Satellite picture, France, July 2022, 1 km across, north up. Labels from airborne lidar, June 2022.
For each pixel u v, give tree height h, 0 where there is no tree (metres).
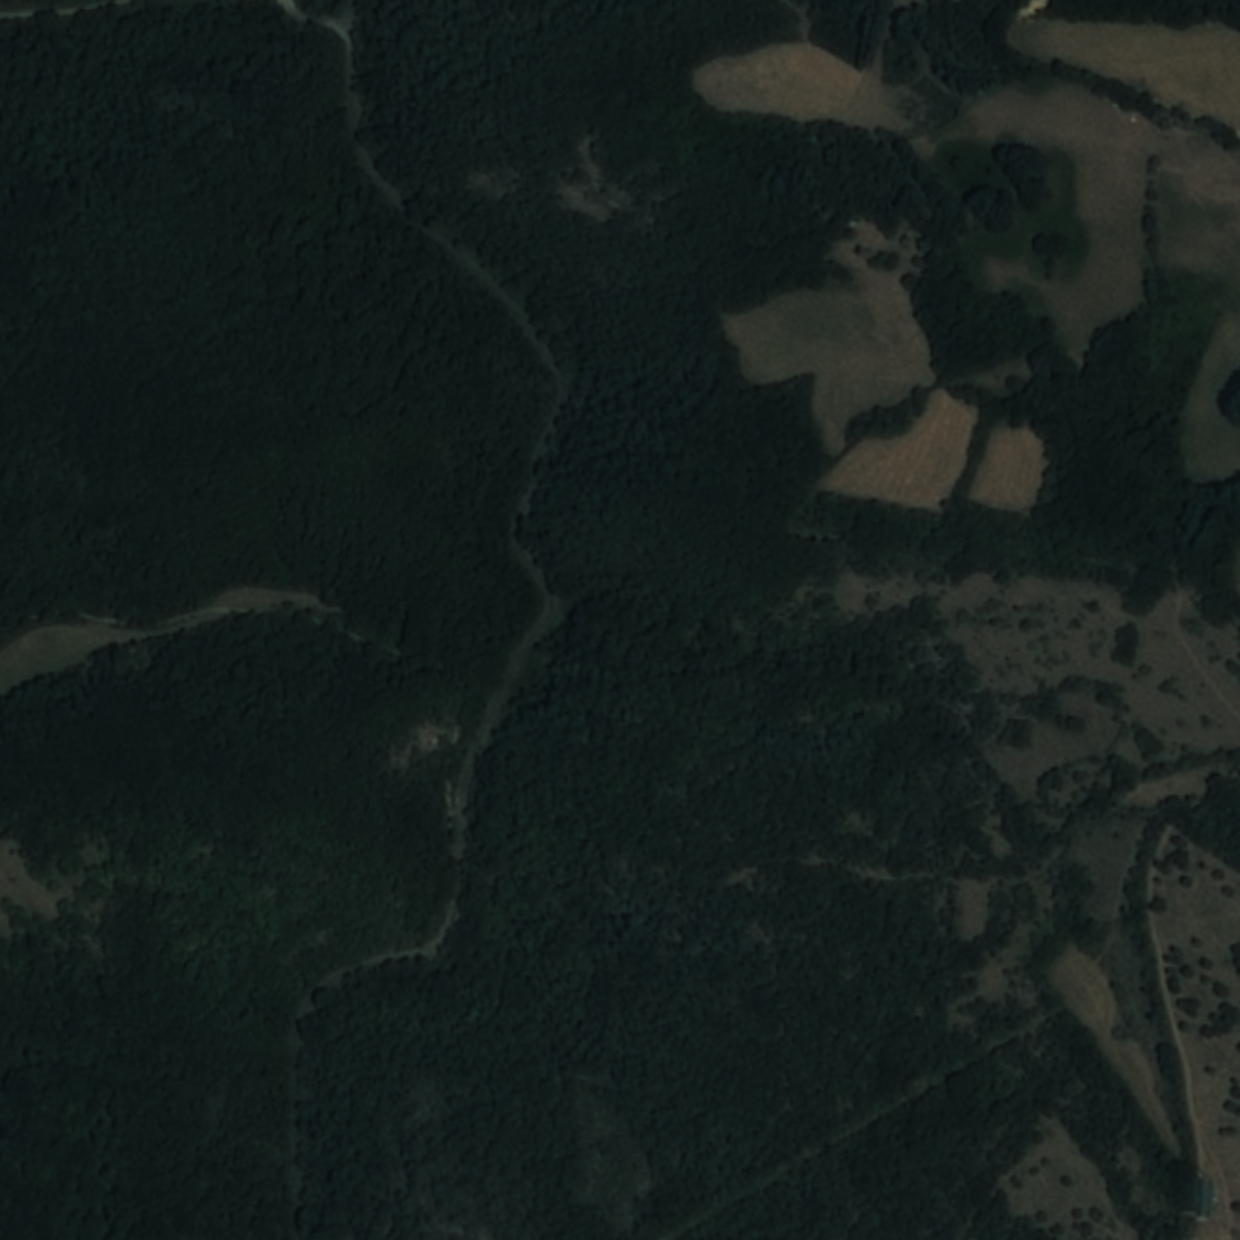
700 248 16
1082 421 25
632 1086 9
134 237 10
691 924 7
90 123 10
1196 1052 0
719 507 18
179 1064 14
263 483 17
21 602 12
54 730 26
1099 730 0
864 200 14
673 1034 9
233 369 15
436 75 10
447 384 13
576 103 15
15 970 8
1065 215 0
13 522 15
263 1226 16
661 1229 10
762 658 15
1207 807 10
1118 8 6
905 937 8
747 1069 8
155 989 12
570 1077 11
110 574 10
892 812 7
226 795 18
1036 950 7
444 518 16
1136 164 0
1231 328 0
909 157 21
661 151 12
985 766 7
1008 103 0
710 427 17
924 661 8
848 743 13
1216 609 14
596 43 11
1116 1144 7
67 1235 11
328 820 10
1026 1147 7
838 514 11
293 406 16
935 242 13
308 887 11
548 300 18
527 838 9
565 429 15
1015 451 0
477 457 17
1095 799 11
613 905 6
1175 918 0
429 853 12
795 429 10
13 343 12
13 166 14
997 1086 10
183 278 10
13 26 11
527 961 8
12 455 9
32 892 0
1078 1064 8
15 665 0
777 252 13
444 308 14
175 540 10
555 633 12
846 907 13
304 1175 13
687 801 7
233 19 20
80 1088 19
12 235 19
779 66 0
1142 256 0
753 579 15
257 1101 17
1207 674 0
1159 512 27
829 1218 7
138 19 17
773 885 6
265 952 12
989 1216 11
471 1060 12
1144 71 0
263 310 18
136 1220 10
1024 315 9
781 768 13
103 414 13
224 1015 10
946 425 0
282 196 21
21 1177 18
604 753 9
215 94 14
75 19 14
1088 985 0
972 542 10
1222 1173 0
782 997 10
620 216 10
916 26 29
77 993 18
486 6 9
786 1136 6
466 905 18
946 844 10
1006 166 16
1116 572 11
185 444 15
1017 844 11
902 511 6
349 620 12
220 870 13
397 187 6
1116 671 0
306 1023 19
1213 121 14
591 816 12
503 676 18
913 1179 8
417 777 10
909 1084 11
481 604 21
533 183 10
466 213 12
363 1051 9
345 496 16
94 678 14
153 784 17
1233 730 0
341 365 19
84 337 11
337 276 23
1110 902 0
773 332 0
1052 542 7
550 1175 12
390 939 10
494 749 14
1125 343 19
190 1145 15
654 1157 12
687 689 16
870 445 0
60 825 9
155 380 11
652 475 16
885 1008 10
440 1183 9
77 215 9
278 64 15
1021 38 0
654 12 10
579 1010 9
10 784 19
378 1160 10
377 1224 7
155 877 8
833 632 13
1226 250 0
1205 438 0
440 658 22
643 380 14
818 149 11
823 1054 7
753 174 12
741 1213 8
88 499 11
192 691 14
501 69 10
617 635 8
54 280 8
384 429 13
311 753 16
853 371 0
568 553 17
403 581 18
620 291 9
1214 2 11
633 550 10
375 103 6
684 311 12
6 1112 20
